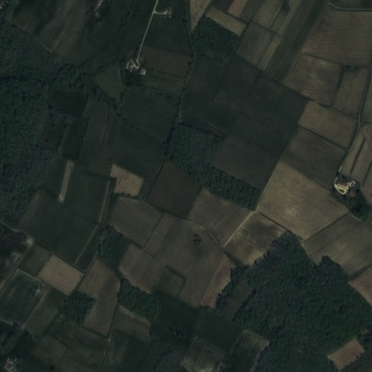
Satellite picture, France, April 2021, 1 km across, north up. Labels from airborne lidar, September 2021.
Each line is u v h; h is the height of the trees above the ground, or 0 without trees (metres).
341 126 0
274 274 22
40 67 6
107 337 0
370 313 19
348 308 21
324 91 0
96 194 0
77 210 0
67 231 0
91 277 0
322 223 0
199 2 0
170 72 0
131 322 0
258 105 0
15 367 0
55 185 0
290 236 21
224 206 0
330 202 0
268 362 22
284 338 19
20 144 26
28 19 0
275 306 21
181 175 0
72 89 33
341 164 0
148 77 0
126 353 0
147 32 0
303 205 0
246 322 19
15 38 24
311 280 22
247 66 0
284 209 0
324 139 0
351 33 0
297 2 0
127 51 0
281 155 0
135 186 0
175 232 0
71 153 0
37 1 0
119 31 10
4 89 29
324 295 22
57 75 10
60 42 0
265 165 0
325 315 20
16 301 0
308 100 0
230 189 11
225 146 0
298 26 0
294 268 22
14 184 13
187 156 19
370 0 0
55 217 0
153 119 0
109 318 0
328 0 0
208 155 20
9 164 8
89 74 8
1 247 0
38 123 24
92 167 0
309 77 0
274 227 0
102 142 0
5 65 22
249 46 0
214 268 0
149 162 0
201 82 0
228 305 23
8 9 19
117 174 0
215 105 0
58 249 0
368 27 0
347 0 0
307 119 0
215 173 15
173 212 0
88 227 0
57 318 0
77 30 0
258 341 0
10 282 0
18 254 0
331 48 0
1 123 22
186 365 0
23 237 0
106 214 0
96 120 0
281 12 0
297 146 0
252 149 0
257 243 0
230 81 0
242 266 0
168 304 0
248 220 0
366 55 0
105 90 0
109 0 7
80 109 0
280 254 21
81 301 6
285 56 0
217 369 0
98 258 0
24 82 20
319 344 17
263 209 0
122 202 0
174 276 0
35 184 17
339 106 0
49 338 0
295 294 25
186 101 0
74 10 0
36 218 0
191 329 0
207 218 0
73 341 0
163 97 14
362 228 0
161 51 0
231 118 0
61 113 11
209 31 11
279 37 0
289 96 0
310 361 19
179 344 0
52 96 0
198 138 20
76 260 0
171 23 0
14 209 16
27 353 0
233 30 0
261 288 19
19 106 27
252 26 0
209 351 0
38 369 0
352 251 0
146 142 0
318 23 0
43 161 18
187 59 0
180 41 0
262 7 0
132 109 0
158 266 0
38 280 0
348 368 11
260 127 0
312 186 0
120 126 0
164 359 16
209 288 0
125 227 0
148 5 0
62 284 0
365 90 0
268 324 24
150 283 0
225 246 0
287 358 16
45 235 0
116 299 0
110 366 0
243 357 0
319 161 0
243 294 0
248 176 0
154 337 15
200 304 0
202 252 0
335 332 23
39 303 0
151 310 24
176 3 0
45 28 0
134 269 0
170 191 0
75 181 0
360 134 0
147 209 0
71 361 0
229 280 0
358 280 0
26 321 0
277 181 0
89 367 0
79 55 0
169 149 18
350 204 9
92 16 0
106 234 17
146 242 0
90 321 0
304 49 0
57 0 0
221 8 0
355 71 0
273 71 0
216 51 9
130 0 0
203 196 0
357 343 0
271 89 0
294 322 19
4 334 16
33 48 12
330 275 16
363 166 0
